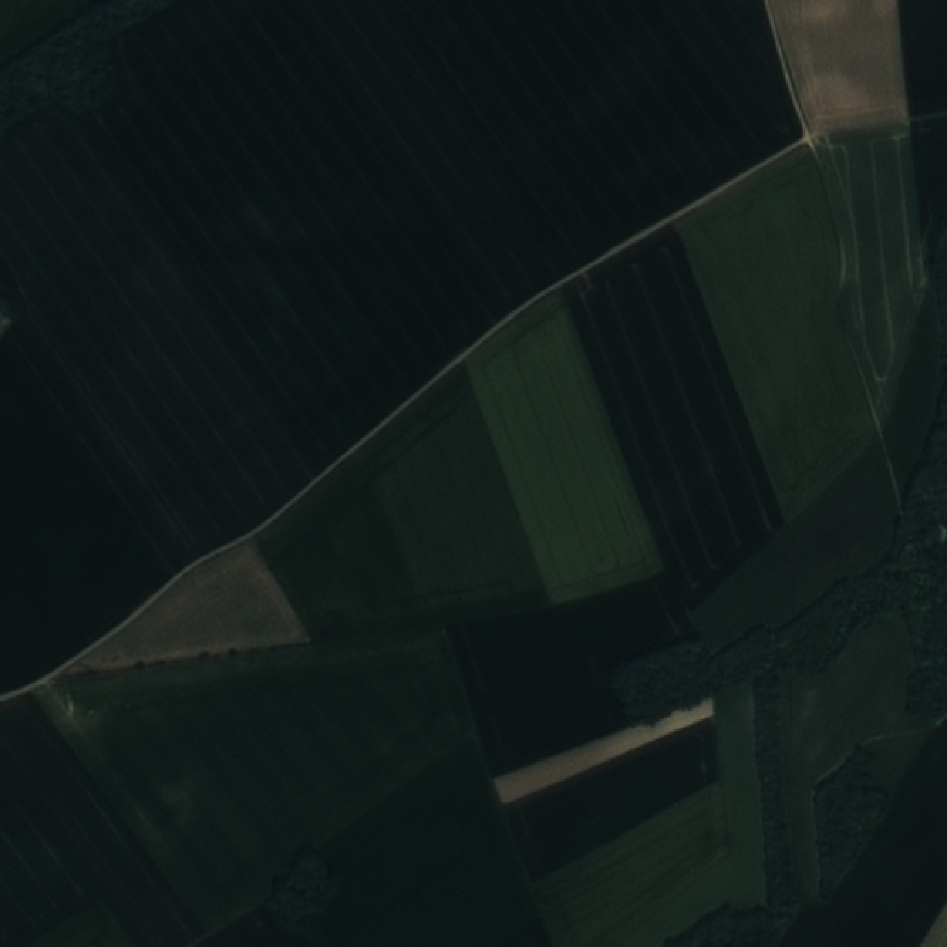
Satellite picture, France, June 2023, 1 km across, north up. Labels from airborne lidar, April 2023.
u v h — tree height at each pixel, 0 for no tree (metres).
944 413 12
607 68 0
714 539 0
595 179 0
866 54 0
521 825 0
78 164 0
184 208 0
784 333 0
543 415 0
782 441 0
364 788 0
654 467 0
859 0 0
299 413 0
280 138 0
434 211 0
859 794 13
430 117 0
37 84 14
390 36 0
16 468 0
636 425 0
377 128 0
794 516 0
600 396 0
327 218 0
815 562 0
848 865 10
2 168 0
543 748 0
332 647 0
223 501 0
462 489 0
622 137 0
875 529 0
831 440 0
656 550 0
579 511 0
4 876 0
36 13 0
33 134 0
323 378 0
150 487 0
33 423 0
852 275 0
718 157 0
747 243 0
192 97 0
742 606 0
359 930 0
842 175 0
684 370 0
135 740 0
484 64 0
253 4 0
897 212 0
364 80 0
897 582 16
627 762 0
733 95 0
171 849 0
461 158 0
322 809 0
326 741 0
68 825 0
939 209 0
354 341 0
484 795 0
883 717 0
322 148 0
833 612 7
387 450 0
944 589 9
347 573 0
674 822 0
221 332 0
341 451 0
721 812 0
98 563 0
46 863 0
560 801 0
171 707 0
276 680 0
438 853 0
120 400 0
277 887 15
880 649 0
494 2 0
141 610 0
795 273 0
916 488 11
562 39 0
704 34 0
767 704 10
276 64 0
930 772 0
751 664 12
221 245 0
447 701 0
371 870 0
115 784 0
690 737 0
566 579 0
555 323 0
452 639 0
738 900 0
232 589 0
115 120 0
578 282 0
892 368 0
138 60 0
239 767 0
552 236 0
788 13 0
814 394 0
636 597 0
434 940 0
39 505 0
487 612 0
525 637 0
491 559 0
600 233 0
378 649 0
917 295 0
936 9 0
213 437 0
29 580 0
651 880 0
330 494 0
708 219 0
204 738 0
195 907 0
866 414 0
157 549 0
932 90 0
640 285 0
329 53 0
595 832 0
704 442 0
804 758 0
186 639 0
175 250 0
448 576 0
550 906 0
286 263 0
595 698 0
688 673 8
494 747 0
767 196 0
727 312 0
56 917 0
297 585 0
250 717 0
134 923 0
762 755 7
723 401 0
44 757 0
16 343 0
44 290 0
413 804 0
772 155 0
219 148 0
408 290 0
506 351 0
